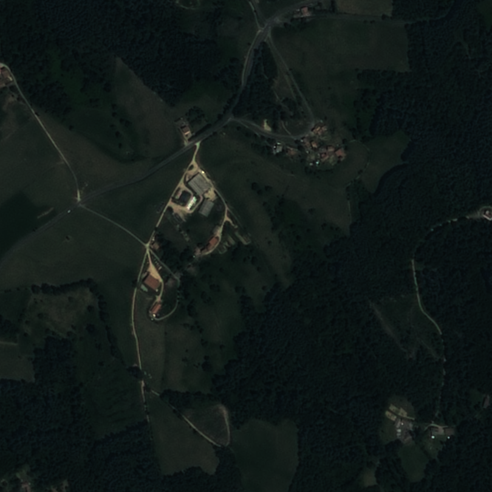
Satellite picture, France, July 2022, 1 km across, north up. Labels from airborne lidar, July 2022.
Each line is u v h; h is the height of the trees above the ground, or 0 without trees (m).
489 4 0
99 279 0
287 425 0
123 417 0
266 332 29
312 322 7
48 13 27
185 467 0
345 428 18
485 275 29
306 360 18
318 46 0
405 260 27
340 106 0
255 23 0
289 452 0
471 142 24
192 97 0
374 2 0
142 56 16
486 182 24
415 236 20
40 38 19
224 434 0
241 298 10
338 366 23
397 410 0
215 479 16
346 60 0
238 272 0
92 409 0
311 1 0
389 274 21
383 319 0
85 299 0
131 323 0
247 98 14
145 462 30
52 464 12
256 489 0
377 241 19
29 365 0
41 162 0
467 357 21
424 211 26
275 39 0
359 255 21
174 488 23
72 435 25
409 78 10
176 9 34
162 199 0
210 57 22
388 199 28
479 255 26
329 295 16
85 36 21
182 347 0
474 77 15
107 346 0
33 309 0
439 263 13
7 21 16
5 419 12
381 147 0
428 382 14
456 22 31
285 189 0
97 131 0
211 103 0
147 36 28
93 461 23
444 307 22
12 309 0
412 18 15
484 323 8
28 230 0
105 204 0
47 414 32
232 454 18
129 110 0
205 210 0
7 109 0
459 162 21
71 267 0
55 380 19
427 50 32
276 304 20
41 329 0
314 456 8
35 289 16
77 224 0
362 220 16
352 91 0
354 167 0
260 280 0
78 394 28
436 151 23
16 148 0
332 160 0
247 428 0
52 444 37
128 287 0
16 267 0
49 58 9
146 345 0
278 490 0
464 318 9
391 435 0
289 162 0
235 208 0
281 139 0
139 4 22
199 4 0
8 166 0
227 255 0
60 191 0
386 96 21
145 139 0
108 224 0
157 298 0
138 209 0
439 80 15
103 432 0
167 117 0
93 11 25
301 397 29
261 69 12
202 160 0
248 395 18
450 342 18
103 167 0
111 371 0
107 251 0
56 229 0
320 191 0
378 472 14
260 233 0
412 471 0
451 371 19
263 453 0
